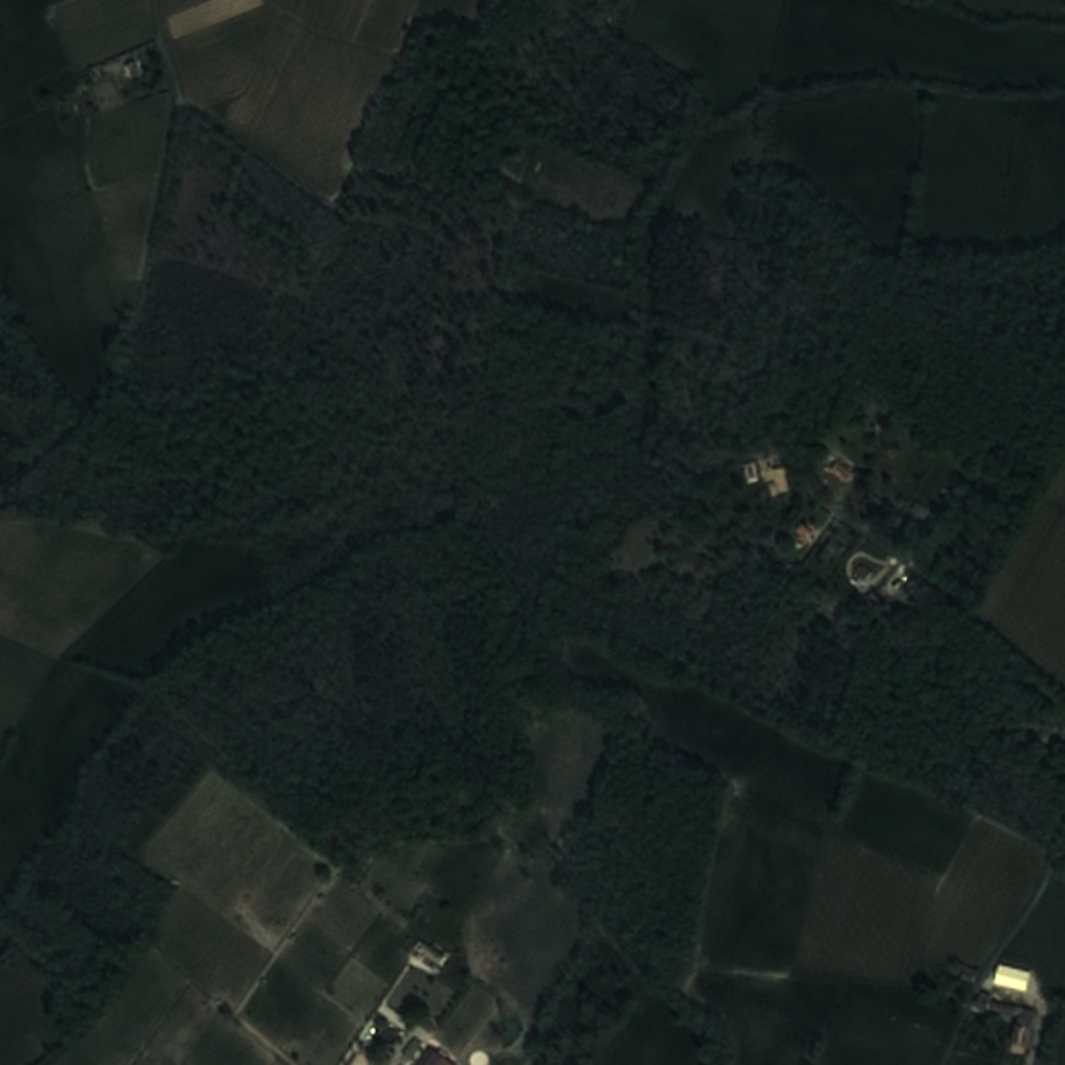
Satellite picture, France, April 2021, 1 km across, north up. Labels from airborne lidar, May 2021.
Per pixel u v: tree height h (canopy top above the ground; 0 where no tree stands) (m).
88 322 0
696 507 18
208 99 0
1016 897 0
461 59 10
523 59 21
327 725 17
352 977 0
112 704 0
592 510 23
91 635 0
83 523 19
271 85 0
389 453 16
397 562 17
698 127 15
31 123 0
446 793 17
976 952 0
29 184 0
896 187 0
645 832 25
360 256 6
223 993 0
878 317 19
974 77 0
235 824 0
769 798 0
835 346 18
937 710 24
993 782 17
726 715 0
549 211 13
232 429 26
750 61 0
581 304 0
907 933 0
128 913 13
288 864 0
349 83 0
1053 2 0
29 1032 0
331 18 0
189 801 0
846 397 24
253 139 0
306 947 0
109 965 23
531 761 20
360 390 17
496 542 12
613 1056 0
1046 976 0
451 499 16
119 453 23
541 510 17
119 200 0
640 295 15
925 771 21
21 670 0
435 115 12
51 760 0
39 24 0
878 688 25
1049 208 0
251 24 0
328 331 10
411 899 0
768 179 16
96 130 0
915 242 12
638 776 26
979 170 0
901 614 18
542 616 21
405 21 0
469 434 17
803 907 0
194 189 0
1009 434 18
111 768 9
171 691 18
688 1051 0
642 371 16
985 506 22
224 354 7
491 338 23
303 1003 0
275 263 11
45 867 7
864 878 0
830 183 0
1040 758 19
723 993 0
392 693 25
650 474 19
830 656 19
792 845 0
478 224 26
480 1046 0
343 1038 0
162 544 12
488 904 0
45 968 20
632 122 18
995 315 19
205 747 6
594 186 0
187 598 0
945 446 22
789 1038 0
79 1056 0
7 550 0
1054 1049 18
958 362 19
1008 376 14
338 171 0
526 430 15
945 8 10
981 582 8
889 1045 0
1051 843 17
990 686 21
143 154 0
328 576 19
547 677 25
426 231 8
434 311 22
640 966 18
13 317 17
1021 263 19
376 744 21
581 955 14
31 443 14
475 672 25
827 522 0
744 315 17
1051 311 22
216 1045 0
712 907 0
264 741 17
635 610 16
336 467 20
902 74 21
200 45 0
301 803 21
